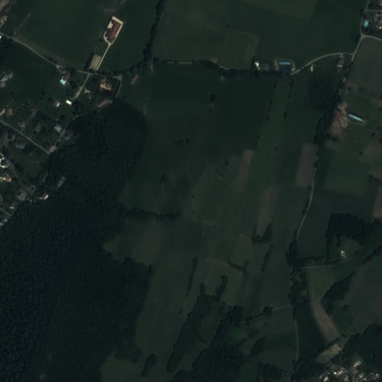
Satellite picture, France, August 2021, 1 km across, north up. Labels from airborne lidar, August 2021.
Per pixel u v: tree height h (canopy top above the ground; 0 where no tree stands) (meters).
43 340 10
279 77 13
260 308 0
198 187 0
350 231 28
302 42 0
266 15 0
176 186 0
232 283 0
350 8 0
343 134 0
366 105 0
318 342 0
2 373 23
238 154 0
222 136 0
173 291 0
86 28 0
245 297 0
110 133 17
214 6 0
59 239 24
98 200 17
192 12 0
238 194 0
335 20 0
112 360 0
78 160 19
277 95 0
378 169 0
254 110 0
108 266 22
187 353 9
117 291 23
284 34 0
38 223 22
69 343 22
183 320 0
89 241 14
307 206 9
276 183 0
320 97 7
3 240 21
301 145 0
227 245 0
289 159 0
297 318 6
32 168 0
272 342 0
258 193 0
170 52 0
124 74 11
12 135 16
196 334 16
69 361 20
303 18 0
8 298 22
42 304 21
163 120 0
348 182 0
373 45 0
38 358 9
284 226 0
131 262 19
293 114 0
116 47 0
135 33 0
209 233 0
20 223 19
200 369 18
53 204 16
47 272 19
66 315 15
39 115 15
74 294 20
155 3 0
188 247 0
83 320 26
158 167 0
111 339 16
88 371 19
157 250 0
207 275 0
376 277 0
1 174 0
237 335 0
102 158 19
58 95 0
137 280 24
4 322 22
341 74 0
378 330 10
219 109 0
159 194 0
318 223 0
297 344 0
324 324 0
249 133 0
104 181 20
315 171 0
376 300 0
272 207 0
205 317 15
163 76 0
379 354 12
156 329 0
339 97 9
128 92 0
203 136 0
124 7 0
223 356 21
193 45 0
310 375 9
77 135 13
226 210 0
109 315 22
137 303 17
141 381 0
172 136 0
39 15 0
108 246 0
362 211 0
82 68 0
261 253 0
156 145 0
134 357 6
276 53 0
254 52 0
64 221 20
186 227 0
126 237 0
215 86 0
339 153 0
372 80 0
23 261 23
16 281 23
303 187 0
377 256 12
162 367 0
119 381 0
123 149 15
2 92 0
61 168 16
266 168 0
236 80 0
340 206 0
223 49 0
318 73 0
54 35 0
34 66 0
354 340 9
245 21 0
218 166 0
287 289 0
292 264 14
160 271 0
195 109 0
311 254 0
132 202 0
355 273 7
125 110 11
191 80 0
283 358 0
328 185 0
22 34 0
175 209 0
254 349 12
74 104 10
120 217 22
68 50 0
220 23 0
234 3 0
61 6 0
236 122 0
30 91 0
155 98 0
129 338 13
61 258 22
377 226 16
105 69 0
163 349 0
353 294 0
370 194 0
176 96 0
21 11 0
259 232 0
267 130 0
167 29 0
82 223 14
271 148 0
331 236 16
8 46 14
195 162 0
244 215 0
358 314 0
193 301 0
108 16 0
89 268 23
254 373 0
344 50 0
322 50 0
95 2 0
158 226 0
